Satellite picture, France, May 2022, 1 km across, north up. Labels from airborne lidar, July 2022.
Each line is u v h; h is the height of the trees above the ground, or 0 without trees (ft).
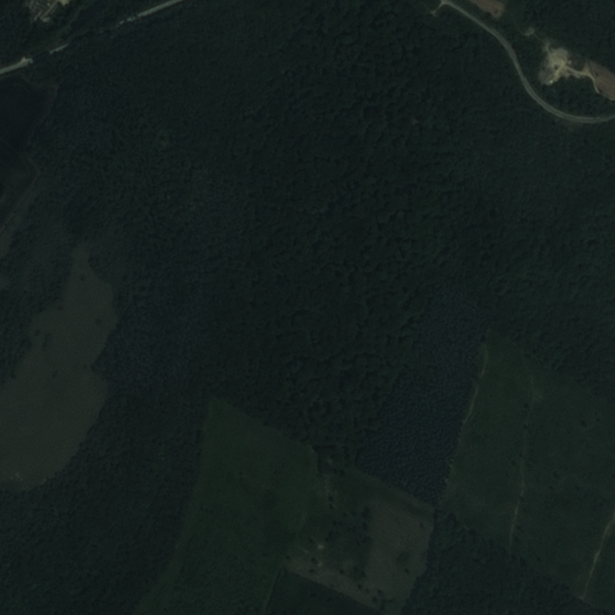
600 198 74
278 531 24
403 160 87
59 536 49
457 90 76
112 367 55
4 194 0
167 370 74
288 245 84
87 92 73
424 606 70
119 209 35
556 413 0
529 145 46
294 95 75
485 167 49
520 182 47
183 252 64
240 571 20
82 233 34
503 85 58
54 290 29
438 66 78
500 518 0
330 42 98
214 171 69
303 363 92
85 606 57
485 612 50
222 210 54
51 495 32
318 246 96
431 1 41
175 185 76
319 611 35
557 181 49
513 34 36
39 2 0
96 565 52
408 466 65
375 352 100
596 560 0
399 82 101
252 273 67
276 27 81
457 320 89
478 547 69
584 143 46
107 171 52
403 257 100
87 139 59
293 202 65
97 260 33
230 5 44
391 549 0
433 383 89
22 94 0
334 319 94
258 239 73
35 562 52
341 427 103
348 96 73
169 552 49
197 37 61
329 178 73
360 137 92
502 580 56
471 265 68
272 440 0
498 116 58
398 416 78
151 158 45
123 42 57
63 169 46
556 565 0
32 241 35
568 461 0
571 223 74
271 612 22
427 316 88
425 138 89
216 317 67
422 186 91
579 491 55
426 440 67
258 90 69
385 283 98
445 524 76
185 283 63
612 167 72
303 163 74
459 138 62
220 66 59
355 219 96
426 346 85
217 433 0
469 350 84
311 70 73
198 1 39
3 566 45
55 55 49
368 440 83
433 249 75
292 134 80
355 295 92
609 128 33
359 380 93
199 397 47
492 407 0
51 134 44
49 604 55
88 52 68
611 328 62
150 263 52
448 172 54
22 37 45
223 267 56
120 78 52
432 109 79
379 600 45
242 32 51
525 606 63
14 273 18
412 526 0
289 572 42
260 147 60
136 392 59
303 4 51
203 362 52
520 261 76
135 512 44
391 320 95
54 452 0
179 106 58
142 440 53
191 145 60
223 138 80
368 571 0
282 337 82
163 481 48
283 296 76
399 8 87
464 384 80
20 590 43
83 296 0
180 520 52
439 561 73
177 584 17
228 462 0
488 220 74
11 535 30
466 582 66
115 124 52
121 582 44
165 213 76
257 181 77
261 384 70
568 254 80
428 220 79
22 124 0
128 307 18
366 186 95
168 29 63
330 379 99
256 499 0
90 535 49
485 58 65
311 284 81
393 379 54
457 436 79
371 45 85
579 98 44
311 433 96
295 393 37
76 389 0
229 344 69
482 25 0
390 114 93
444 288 89
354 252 117
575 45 37
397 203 115
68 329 0
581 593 0
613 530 0
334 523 39
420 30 95
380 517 0
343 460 64
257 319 76
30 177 0
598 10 50
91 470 29
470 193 75
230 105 66
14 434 0
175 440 51
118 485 53
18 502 23
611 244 76
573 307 83
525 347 82
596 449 0
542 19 49
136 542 43
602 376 57
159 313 69
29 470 0
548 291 66
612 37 40
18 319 34
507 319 60
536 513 0
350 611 30
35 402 0
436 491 78
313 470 0
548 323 71
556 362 72
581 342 65
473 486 0
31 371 0
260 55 65
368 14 100
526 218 65
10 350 38
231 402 52
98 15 73
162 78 53
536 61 20
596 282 73
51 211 19
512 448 0
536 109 43
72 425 0
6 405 0
